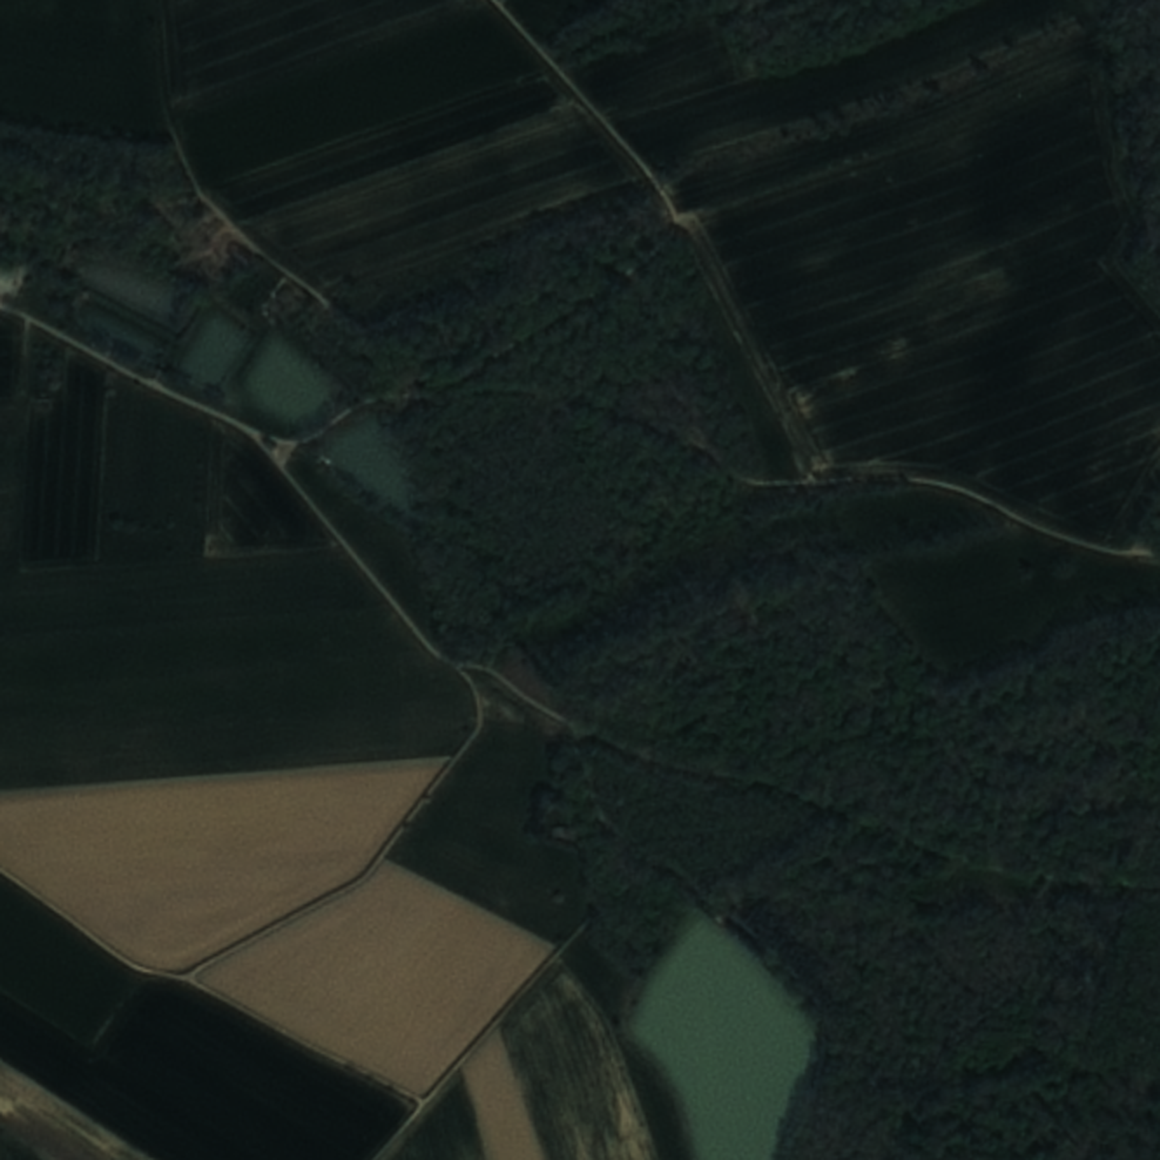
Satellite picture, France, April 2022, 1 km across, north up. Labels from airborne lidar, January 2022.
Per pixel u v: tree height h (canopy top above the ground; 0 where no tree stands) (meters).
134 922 0
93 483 0
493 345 25
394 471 0
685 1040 0
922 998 24
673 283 30
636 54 0
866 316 0
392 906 0
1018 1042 24
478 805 0
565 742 14
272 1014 0
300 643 0
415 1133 0
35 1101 0
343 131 0
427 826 0
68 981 0
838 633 26
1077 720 31
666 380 28
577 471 18
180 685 0
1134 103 25
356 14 0
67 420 0
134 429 0
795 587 29
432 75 0
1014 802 24
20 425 0
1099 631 22
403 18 0
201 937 0
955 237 0
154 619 0
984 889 0
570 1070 0
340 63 0
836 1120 30
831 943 23
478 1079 0
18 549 0
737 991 0
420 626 0
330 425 16
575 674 27
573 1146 0
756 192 0
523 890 0
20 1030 0
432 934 0
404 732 0
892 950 28
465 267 0
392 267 0
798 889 28
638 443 27
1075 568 20
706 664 22
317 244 0
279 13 0
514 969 0
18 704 0
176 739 0
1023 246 0
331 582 0
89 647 0
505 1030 0
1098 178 0
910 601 0
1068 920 23
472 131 0
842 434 0
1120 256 0
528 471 17
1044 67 0
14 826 0
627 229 26
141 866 0
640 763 22
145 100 0
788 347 0
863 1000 24
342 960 0
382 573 0
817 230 0
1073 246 0
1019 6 0
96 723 0
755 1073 0
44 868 0
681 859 19
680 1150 0
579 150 0
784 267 0
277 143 0
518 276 29
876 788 28
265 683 0
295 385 0
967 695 24
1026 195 0
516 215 0
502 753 0
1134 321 0
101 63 0
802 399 0
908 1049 26
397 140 0
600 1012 0
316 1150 0
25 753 0
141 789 0
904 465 0
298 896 0
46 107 0
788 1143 16
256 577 0
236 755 0
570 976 0
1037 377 0
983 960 28
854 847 28
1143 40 26
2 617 0
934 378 0
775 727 25
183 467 0
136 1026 0
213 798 0
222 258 31
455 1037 0
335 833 0
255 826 0
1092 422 0
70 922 0
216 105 0
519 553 19
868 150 0
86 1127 0
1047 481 0
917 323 0
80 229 24
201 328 0
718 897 26
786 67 19
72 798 0
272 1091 0
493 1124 0
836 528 11
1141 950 21
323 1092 0
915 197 0
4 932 0
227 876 0
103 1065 0
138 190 26
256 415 0
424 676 0
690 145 0
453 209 0
